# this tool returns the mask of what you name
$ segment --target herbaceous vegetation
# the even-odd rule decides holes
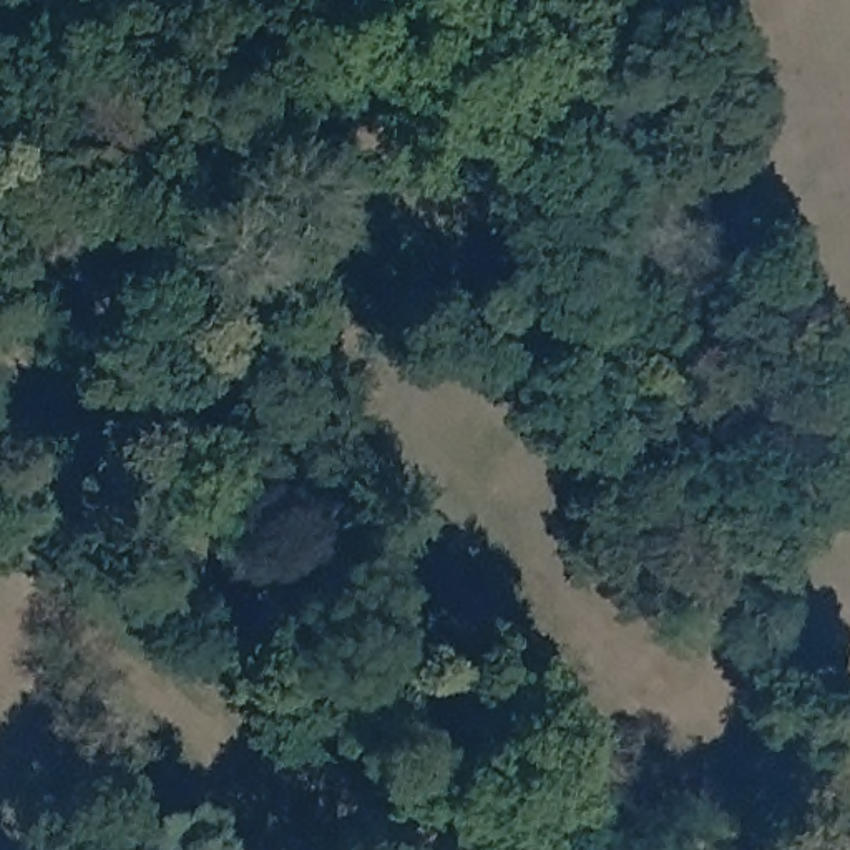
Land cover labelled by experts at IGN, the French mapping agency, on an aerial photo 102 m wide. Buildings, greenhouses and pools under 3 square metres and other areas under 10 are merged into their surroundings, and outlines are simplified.
[[[452,747],[458,750],[495,757],[505,744],[511,744],[511,721],[498,707],[485,707],[475,694],[462,691],[448,697],[425,697],[428,724],[448,730]]]
[[[100,638],[93,621],[80,618],[76,604],[63,601],[43,578],[0,574],[0,813],[3,804],[10,804],[20,794],[13,774],[23,764],[40,760],[73,767],[80,757],[110,750],[110,764],[133,770],[136,784],[143,784],[146,777],[153,780],[153,800],[169,817],[189,813],[196,807],[232,810],[242,850],[349,850],[382,817],[395,810],[388,794],[365,777],[362,764],[322,764],[319,770],[325,774],[325,784],[309,790],[292,770],[276,770],[259,750],[232,740],[242,717],[226,711],[219,684],[159,674],[146,654],[123,651],[113,644],[113,638]]]
[[[246,392],[232,379],[229,392],[216,405],[203,412],[173,415],[199,435],[206,435],[209,428],[236,428],[242,435],[259,432],[259,418],[236,415]]]
[[[820,551],[807,561],[813,591],[807,591],[810,614],[800,634],[817,651],[830,651],[833,644],[850,651],[850,528],[833,535],[830,551]]]
[[[647,259],[657,259],[667,269],[667,279],[661,286],[704,286],[711,279],[730,276],[737,252],[747,249],[760,256],[764,249],[770,249],[777,242],[777,219],[797,222],[800,216],[807,216],[817,236],[817,252],[827,282],[850,305],[850,0],[747,0],[750,17],[760,27],[767,53],[777,66],[774,76],[784,90],[784,123],[770,149],[774,166],[754,176],[750,186],[737,193],[714,193],[707,203],[697,206],[674,209],[657,203],[654,242],[647,246]]]
[[[100,246],[56,259],[43,272],[60,279],[60,302],[70,309],[70,319],[86,335],[116,335],[126,312],[120,296],[126,262],[120,249]]]
[[[501,236],[491,236],[488,216],[468,219],[465,236],[445,236],[432,222],[432,216],[415,216],[415,209],[398,196],[369,196],[369,246],[355,249],[345,262],[335,266],[349,289],[355,282],[375,286],[395,279],[412,292],[465,289],[471,292],[471,305],[485,305],[491,292],[515,279],[515,252]]]
[[[339,538],[335,558],[296,584],[256,588],[236,581],[219,558],[203,558],[196,564],[196,588],[189,591],[189,614],[199,618],[216,601],[226,601],[236,618],[239,638],[252,634],[262,654],[272,657],[276,628],[286,628],[292,614],[302,614],[312,601],[339,604],[345,591],[355,591],[352,571],[362,561],[382,558],[385,545],[375,538],[375,528],[355,521],[352,531]]]
[[[286,60],[289,43],[276,33],[259,30],[256,37],[236,40],[236,53],[222,70],[216,96],[252,90],[256,73],[266,73],[279,60]]]
[[[40,435],[70,435],[90,412],[76,395],[76,379],[53,369],[23,365],[17,369],[17,382],[10,388],[10,438],[30,442]]]
[[[242,203],[246,179],[239,173],[239,153],[209,139],[196,143],[196,163],[209,169],[209,179],[199,186],[206,189],[209,209],[222,203]]]
[[[535,651],[558,647],[558,657],[578,671],[581,684],[588,687],[588,697],[598,707],[598,714],[614,714],[614,730],[621,744],[614,754],[611,787],[618,794],[628,794],[641,807],[674,807],[687,794],[694,794],[724,810],[727,817],[734,817],[750,797],[777,800],[794,787],[804,787],[804,777],[813,767],[797,750],[770,750],[750,724],[724,724],[730,684],[724,681],[714,657],[697,661],[674,638],[667,644],[657,644],[644,618],[621,624],[618,608],[598,594],[594,574],[584,578],[581,588],[574,588],[564,578],[558,541],[564,541],[574,551],[584,531],[584,521],[568,518],[568,505],[594,505],[594,498],[601,498],[598,478],[578,478],[578,471],[571,468],[548,468],[545,455],[531,452],[508,428],[508,405],[495,405],[458,382],[418,388],[398,379],[398,365],[392,365],[392,359],[382,352],[369,365],[372,392],[365,398],[365,412],[382,418],[395,432],[402,462],[422,468],[425,498],[435,508],[442,508],[452,521],[442,528],[438,541],[428,541],[425,558],[418,561],[418,584],[428,591],[422,604],[425,638],[432,644],[452,644],[475,667],[481,664],[481,654],[488,654],[491,647],[505,647],[511,638]]]

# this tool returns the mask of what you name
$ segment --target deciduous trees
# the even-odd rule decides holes
[[[153,800],[153,780],[146,777],[143,784],[136,784],[133,770],[110,764],[110,750],[80,757],[73,767],[40,760],[23,764],[13,774],[20,794],[10,804],[3,804],[0,813],[0,850],[242,850],[232,810],[196,807],[189,813],[169,817]]]
[[[256,73],[252,90],[216,96],[222,70],[236,53],[236,40],[256,37],[259,30],[276,33],[289,43],[286,60],[279,60],[266,73]],[[797,222],[777,219],[777,242],[770,249],[764,249],[760,256],[747,249],[737,252],[730,276],[711,279],[704,286],[661,286],[667,279],[667,269],[657,259],[647,259],[647,246],[654,242],[657,203],[674,209],[697,206],[707,203],[714,193],[737,193],[750,186],[754,176],[774,166],[770,149],[784,123],[784,90],[774,76],[777,66],[767,53],[760,27],[750,17],[747,0],[0,0],[0,574],[43,578],[63,601],[76,604],[80,618],[93,621],[100,638],[113,638],[113,644],[123,651],[146,654],[159,674],[219,684],[226,711],[242,717],[232,740],[259,750],[276,770],[292,770],[309,790],[325,784],[325,774],[319,770],[322,764],[362,764],[365,777],[388,794],[395,810],[382,817],[349,850],[850,850],[850,651],[833,644],[830,651],[817,651],[800,634],[810,614],[807,591],[813,591],[807,561],[820,551],[830,551],[833,535],[850,528],[850,305],[827,282],[817,252],[817,236],[807,216],[800,216]],[[209,169],[196,163],[196,143],[209,139],[239,153],[239,173],[246,179],[242,203],[222,203],[209,209],[206,189],[199,186],[209,179]],[[491,236],[501,236],[515,252],[515,279],[491,292],[485,305],[471,305],[471,292],[465,289],[412,292],[395,279],[375,286],[355,282],[349,289],[335,266],[345,262],[355,249],[369,246],[369,196],[398,196],[415,209],[415,216],[432,216],[432,222],[445,236],[465,236],[468,219],[488,216]],[[43,272],[56,259],[100,246],[120,249],[126,262],[120,296],[126,312],[116,335],[86,335],[70,319],[70,309],[60,302],[60,279]],[[611,787],[614,754],[621,744],[614,730],[614,714],[598,714],[598,707],[588,697],[588,687],[581,684],[578,671],[558,657],[558,647],[535,651],[511,638],[505,647],[491,647],[488,654],[481,654],[481,664],[475,667],[452,644],[432,644],[425,638],[422,604],[428,591],[418,584],[418,561],[425,558],[428,541],[438,541],[442,528],[452,521],[442,508],[435,508],[425,498],[422,468],[402,462],[395,432],[382,418],[365,412],[365,398],[372,392],[369,365],[382,352],[392,359],[392,365],[398,365],[398,379],[418,388],[458,382],[495,405],[508,405],[508,428],[531,452],[545,455],[548,468],[571,468],[578,471],[578,478],[598,478],[601,498],[594,498],[594,505],[568,505],[568,518],[584,521],[584,531],[574,551],[564,541],[558,541],[564,578],[574,588],[581,588],[584,578],[594,574],[598,594],[618,608],[621,624],[644,618],[657,644],[667,644],[674,638],[697,661],[714,657],[724,681],[730,684],[724,724],[750,724],[770,750],[797,750],[813,767],[804,777],[804,787],[794,787],[777,800],[750,797],[734,817],[727,817],[724,810],[694,794],[687,794],[674,807],[641,807],[628,794],[618,794]],[[76,379],[76,395],[90,412],[70,435],[40,435],[30,442],[10,438],[10,388],[17,382],[17,369],[23,365],[53,369]],[[242,435],[236,428],[209,428],[206,435],[199,435],[173,415],[203,412],[216,405],[229,392],[232,379],[246,392],[236,415],[259,418],[259,432]],[[276,628],[272,657],[262,654],[252,634],[239,638],[236,618],[226,601],[216,601],[199,618],[189,614],[189,591],[196,588],[196,564],[203,558],[219,558],[236,581],[256,588],[296,584],[335,558],[339,538],[352,531],[355,521],[375,528],[375,538],[385,545],[382,558],[362,561],[352,571],[355,591],[345,591],[339,604],[312,601],[302,614],[292,614],[286,628]],[[448,697],[462,691],[475,694],[485,707],[498,707],[511,721],[511,744],[505,744],[495,757],[458,750],[452,747],[448,730],[428,724],[425,697]]]

